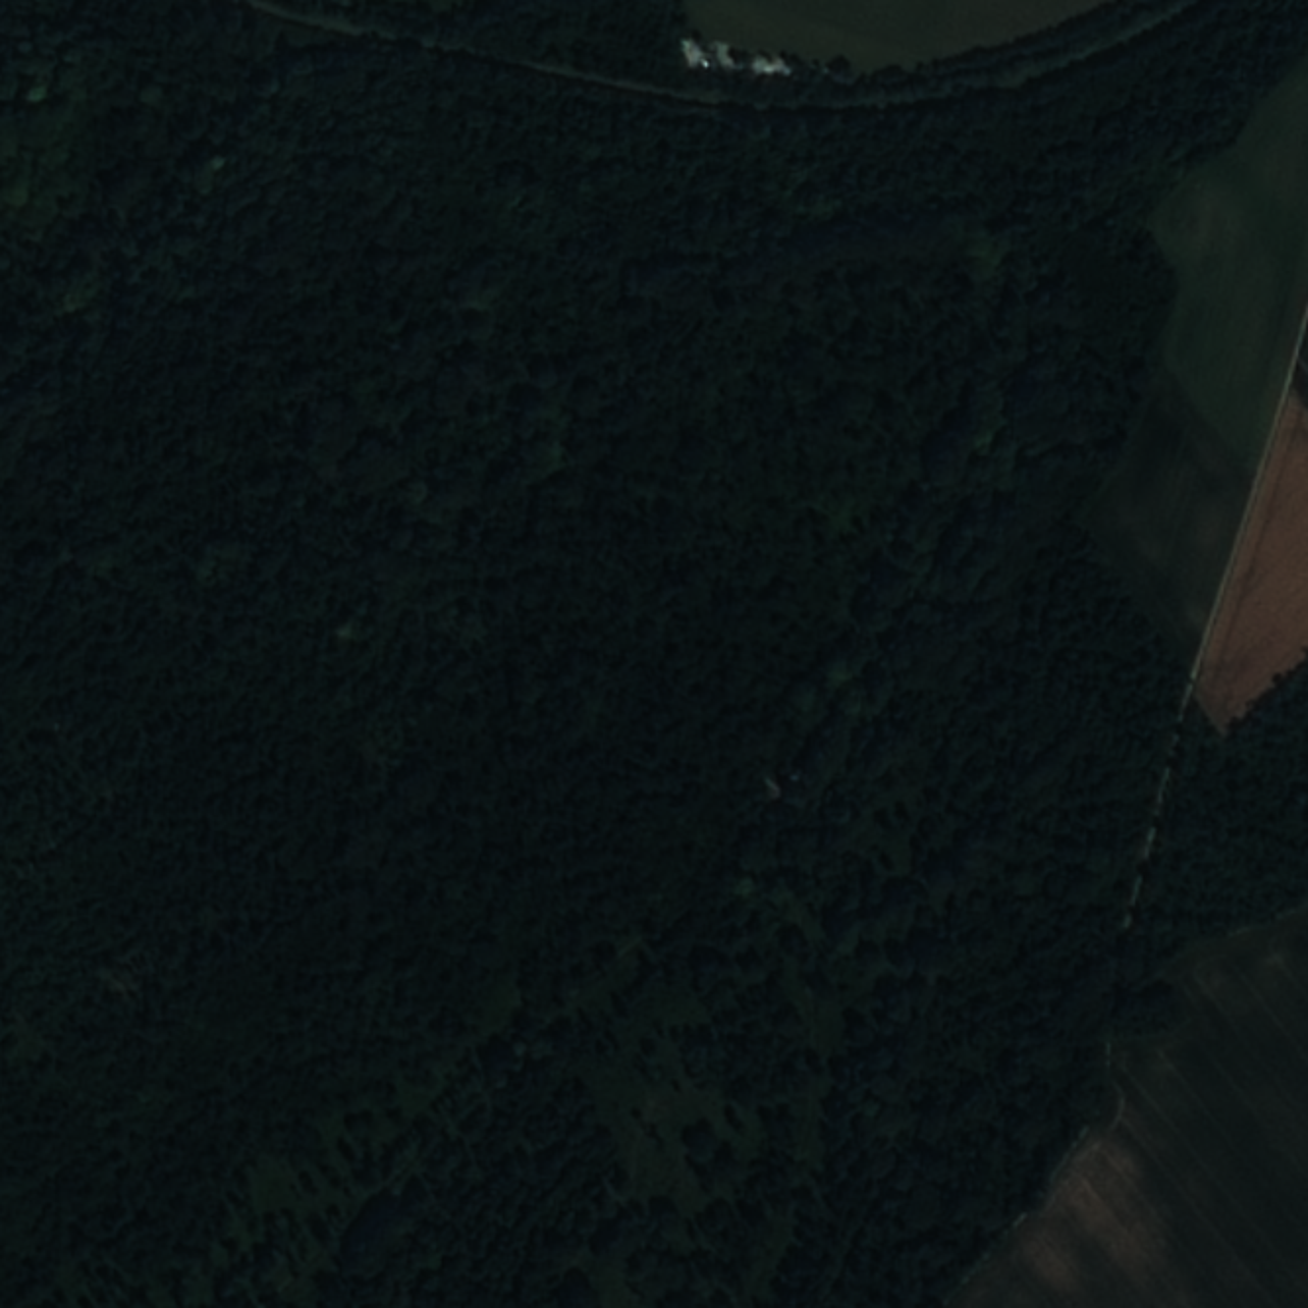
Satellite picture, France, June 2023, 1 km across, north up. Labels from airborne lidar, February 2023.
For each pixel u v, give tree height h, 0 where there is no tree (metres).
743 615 27
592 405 9
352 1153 25
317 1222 0
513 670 25
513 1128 13
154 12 26
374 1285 24
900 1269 20
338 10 11
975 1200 24
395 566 27
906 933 0
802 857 29
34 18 25
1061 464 27
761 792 29
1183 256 0
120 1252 19
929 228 28
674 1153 0
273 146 28
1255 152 0
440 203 7
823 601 23
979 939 29
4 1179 21
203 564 26
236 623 22
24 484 23
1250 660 0
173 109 30
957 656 28
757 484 7
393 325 12
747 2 0
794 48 0
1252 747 10
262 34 32
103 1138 10
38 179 28
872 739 24
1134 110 22
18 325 30
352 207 23
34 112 31
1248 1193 0
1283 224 0
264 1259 21
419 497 24
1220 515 0
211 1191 24
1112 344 7
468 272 20
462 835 21
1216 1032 0
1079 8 0
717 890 26
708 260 16
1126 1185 0
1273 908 5
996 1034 18
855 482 7
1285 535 0
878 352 28
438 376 24
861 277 24
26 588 21
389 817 6
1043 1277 0
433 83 23
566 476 27
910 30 0
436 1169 24
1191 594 0
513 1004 0
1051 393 33
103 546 26
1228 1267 0
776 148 15
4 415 30
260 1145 16
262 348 21
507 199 11
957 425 34
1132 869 16
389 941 17
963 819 16
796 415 28
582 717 27
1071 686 18
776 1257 0
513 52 12
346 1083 8
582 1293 27
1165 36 16
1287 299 0
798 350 25
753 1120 0
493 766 23
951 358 27
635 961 0
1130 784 21
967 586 27
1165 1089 0
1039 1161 21
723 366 25
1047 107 20
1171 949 13
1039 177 22
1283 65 12
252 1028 13
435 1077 18
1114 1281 0
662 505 27
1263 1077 0
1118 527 0
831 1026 0
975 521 30
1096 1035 21
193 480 19
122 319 22
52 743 21
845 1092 22
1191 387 0
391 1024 22
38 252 26
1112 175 22
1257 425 0
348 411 27
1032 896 20
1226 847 19
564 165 20
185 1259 21
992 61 9
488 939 23
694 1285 29
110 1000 19
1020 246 23
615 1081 0
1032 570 9
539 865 21
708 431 7
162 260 25
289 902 17
